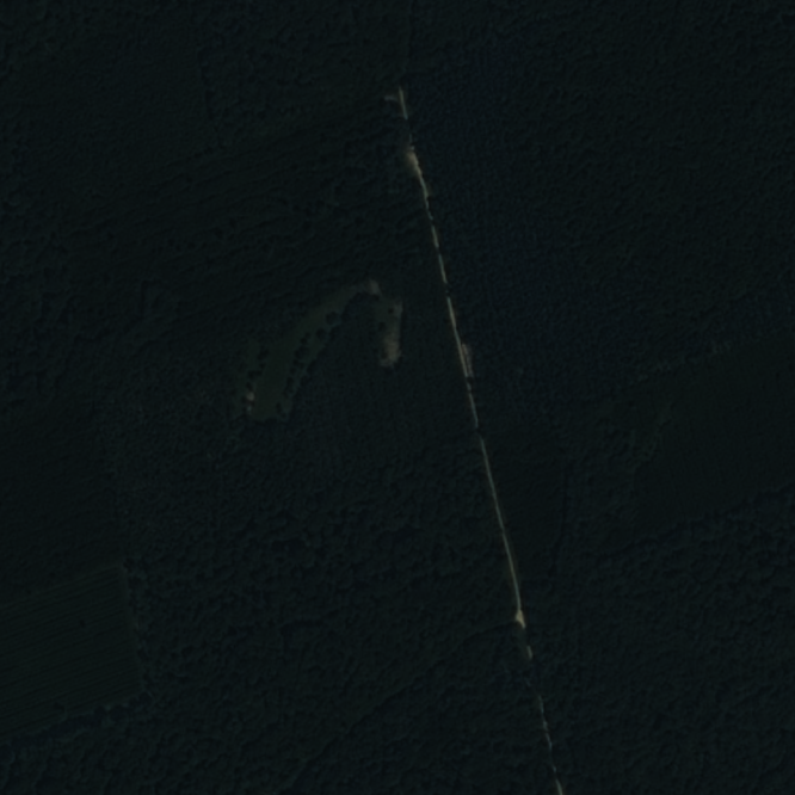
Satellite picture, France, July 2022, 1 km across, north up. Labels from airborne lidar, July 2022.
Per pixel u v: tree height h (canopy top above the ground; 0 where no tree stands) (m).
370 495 14
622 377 17
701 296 22
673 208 20
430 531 26
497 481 8
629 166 26
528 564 8
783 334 8
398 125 23
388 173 25
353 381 15
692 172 26
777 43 22
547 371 18
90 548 14
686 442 9
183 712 28
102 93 17
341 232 12
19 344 25
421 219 15
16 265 30
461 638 18
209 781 20
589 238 23
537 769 22
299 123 8
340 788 26
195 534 21
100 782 24
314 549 7
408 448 16
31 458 12
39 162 21
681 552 23
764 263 21
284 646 26
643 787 22
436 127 21
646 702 17
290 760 19
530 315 17
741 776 18
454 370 14
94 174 20
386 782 26
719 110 23
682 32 22
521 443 9
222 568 26
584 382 19
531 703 21
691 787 15
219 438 22
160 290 25
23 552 11
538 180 24
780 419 8
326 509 9
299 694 25
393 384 17
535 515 9
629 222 21
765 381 10
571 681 26
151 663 19
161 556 26
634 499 19
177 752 26
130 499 19
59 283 28
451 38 16
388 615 23
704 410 8
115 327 18
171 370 19
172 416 18
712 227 24
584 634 22
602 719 22
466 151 15
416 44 16
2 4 27
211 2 17
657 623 22
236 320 17
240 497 22
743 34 20
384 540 30
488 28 24
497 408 15
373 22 27
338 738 19
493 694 23
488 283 17
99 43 16
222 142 19
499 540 12
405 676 23
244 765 22
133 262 10
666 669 21
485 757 26
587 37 19
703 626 23
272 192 7
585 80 24
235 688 24
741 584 23
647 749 22
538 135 25
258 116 27
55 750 25
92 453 12
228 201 7
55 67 15
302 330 0
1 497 9
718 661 21
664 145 23
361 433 16
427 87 28
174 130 15
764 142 25
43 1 26
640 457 12
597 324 16
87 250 10
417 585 23
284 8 26
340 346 16
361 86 19
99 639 6
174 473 21
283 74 22
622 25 24
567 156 25
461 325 14
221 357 18
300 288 14
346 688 25
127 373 22
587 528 23
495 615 21
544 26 22
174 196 7
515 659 26
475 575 23
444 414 14
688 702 12
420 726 24
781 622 23
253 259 9
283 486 22
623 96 27
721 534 20
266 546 27
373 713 18
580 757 25
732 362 8
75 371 26
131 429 21
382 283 15
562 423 19
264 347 7
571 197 22
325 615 25
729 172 23
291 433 18
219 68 23
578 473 25
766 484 9
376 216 13
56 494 11
